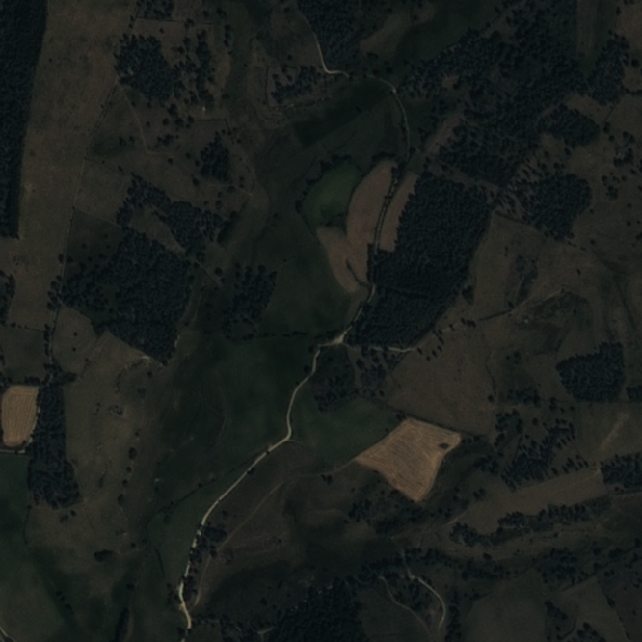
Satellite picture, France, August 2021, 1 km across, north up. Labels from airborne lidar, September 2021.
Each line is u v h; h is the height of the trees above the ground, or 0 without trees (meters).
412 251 15
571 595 0
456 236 16
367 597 0
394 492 7
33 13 13
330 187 0
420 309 14
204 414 0
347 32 16
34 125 0
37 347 0
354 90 0
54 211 0
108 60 0
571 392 8
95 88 0
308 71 13
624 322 0
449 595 0
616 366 12
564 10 0
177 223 15
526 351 0
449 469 0
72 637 0
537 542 0
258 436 0
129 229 15
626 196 0
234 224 10
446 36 0
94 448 0
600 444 0
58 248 0
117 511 0
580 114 17
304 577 0
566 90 11
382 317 15
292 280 0
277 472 0
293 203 0
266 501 0
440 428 0
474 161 10
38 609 0
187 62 6
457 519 0
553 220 13
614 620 0
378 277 12
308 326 0
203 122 0
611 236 0
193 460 0
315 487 0
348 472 0
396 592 0
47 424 8
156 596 0
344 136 0
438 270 13
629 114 0
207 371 0
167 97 15
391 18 0
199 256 15
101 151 0
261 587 0
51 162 0
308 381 0
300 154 0
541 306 0
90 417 0
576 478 0
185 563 0
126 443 0
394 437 0
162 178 0
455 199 13
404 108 0
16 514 0
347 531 0
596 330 0
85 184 0
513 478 14
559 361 0
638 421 0
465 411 0
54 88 0
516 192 8
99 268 9
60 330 0
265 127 0
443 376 0
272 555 0
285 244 0
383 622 0
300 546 0
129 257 16
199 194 0
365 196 0
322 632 12
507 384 0
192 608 0
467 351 0
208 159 18
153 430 0
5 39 11
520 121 12
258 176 0
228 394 0
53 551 0
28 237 0
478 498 11
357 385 0
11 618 0
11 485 0
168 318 13
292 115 0
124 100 0
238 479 0
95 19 0
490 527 0
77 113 0
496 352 0
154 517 0
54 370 13
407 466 0
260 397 0
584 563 0
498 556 0
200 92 7
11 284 9
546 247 0
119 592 0
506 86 0
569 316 0
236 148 0
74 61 0
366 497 0
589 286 0
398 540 0
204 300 0
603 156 0
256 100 0
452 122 0
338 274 0
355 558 0
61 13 0
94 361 0
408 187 0
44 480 14
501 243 0
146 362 0
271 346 0
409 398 0
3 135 14
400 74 0
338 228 0
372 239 0
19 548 0
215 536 13
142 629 0
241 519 0
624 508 0
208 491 0
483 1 0
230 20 0
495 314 0
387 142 0
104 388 0
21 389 0
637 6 0
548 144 0
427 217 18
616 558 14
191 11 0
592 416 0
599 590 0
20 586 0
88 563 0
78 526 0
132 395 0
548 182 13
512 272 0
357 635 10
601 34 0
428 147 0
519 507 0
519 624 0
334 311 0
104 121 0
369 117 0
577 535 0
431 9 0
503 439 14
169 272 18
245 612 0
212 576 0
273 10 0
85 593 0
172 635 0
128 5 0
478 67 16
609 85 18
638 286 0
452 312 0
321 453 0
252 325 9
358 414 0
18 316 0
